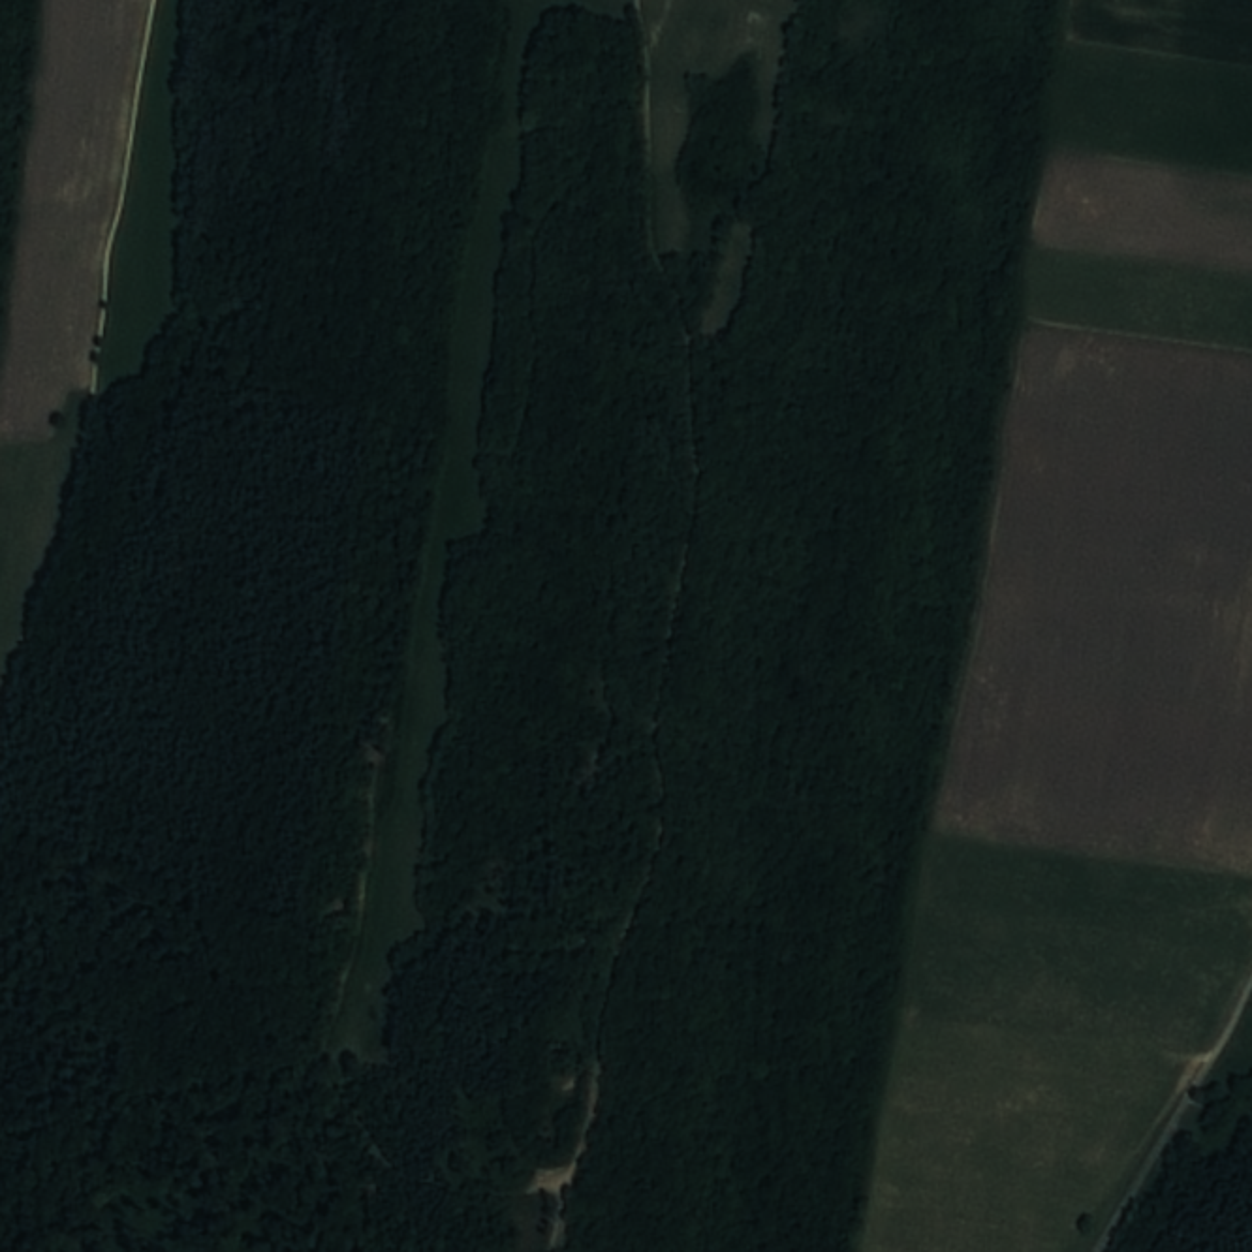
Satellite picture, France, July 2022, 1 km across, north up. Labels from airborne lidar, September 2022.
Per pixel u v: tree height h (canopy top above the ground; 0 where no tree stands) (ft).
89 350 0
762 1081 47
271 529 70
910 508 29
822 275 25
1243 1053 0
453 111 53
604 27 51
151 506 47
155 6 0
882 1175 0
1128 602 0
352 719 36
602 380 24
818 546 44
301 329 86
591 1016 41
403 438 38
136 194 0
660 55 0
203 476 60
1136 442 0
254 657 79
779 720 45
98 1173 71
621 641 47
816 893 47
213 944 85
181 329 38
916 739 39
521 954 67
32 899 80
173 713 59
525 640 43
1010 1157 0
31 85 49
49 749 73
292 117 57
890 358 47
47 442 0
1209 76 0
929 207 37
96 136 0
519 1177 44
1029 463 0
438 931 28
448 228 39
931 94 35
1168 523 0
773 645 43
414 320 57
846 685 36
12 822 66
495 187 0
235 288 50
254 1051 79
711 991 37
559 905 79
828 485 35
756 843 37
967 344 22
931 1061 0
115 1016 89
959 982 0
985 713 0
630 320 19
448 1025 54
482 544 41
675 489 37
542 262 31
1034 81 42
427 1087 59
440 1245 64
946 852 0
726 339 58
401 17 50
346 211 58
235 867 51
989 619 0
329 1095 79
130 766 73
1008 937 0
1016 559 0
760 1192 60
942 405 19
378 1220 34
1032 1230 0
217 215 62
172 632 64
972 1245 0
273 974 77
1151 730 0
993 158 29
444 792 46
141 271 0
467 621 50
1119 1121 0
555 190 31
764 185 39
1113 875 0
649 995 46
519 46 0
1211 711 0
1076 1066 0
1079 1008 0
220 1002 89
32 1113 54
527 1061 65
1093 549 0
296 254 69
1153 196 0
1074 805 0
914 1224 0
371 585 46
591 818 33
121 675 82
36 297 0
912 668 21
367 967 0
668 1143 36
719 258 53
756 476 49
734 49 0
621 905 23
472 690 51
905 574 37
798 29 42
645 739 48
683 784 32
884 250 29
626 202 33
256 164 62
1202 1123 28
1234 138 0
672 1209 39
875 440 37
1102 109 0
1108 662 0
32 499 0
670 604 38
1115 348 0
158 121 0
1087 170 0
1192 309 0
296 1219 90
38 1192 71
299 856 48
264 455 83
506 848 37
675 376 39
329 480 63
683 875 36
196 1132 84
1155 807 0
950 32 36
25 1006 68
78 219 0
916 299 25
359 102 65
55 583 67
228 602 51
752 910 43
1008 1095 0
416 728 0
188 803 52
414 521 74
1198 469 0
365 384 54
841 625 46
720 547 30
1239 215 0
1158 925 0
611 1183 47
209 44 67
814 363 34
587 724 30
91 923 83
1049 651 0
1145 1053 0
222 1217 62
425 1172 55
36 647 36
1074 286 0
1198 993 0
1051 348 0
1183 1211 62
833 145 31
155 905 93
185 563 70
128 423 82
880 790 37
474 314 0
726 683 23
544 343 37
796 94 30
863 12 0
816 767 31
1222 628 0
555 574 48
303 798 52
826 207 44
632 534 38
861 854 45
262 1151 90
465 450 0
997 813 0
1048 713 0
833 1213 42
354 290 62
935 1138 0
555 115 25
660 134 0
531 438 43
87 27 0
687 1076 56
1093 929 0
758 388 28
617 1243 42
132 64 0
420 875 45
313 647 77
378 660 49
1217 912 0
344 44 73
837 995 35
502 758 48
